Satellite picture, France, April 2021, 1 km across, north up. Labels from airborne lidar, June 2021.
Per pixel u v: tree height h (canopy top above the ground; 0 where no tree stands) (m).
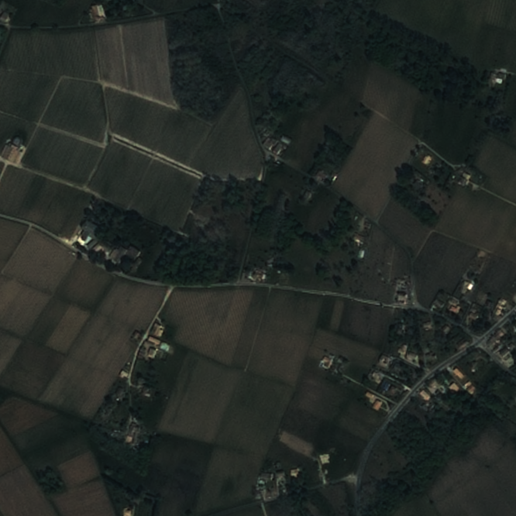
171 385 0
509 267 0
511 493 0
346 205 12
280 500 11
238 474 0
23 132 0
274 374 0
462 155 0
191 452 0
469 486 0
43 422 0
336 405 0
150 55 0
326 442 0
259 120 7
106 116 0
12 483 0
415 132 0
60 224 0
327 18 18
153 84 0
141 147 0
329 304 0
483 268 0
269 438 0
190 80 22
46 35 0
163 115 0
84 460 0
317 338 0
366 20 7
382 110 0
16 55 0
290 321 0
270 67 7
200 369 0
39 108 0
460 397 21
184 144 0
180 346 0
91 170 0
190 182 0
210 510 0
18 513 0
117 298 0
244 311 0
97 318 0
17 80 0
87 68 0
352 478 0
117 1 8
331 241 28
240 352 0
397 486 6
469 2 0
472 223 0
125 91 0
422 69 10
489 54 0
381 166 0
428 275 0
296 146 0
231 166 0
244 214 10
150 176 0
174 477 0
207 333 0
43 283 0
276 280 0
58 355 0
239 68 8
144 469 12
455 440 19
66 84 0
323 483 0
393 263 0
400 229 0
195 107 21
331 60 8
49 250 0
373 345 0
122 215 11
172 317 0
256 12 7
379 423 0
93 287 0
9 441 0
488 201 0
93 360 0
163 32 0
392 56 20
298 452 0
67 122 0
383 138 0
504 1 0
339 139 19
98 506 0
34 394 0
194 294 0
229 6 13
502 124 15
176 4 0
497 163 0
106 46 0
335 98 0
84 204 0
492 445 0
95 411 0
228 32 13
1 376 0
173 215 0
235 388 0
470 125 0
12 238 0
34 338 0
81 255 10
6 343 0
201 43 13
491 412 16
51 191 0
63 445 0
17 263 0
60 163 0
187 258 27
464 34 0
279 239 11
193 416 0
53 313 0
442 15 0
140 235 0
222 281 9
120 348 0
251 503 0
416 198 14
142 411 7
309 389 0
